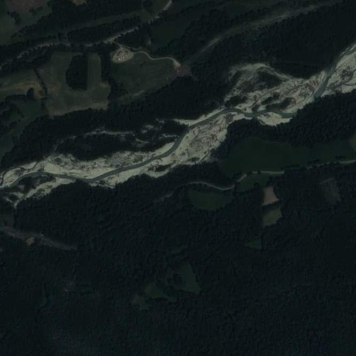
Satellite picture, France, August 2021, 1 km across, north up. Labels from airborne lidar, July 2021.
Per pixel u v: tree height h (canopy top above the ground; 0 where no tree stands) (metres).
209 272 24
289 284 23
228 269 27
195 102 19
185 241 21
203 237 21
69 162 0
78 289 12
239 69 0
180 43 16
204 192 9
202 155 0
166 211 23
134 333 14
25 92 0
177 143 0
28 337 17
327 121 18
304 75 12
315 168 16
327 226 24
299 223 22
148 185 20
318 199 22
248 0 0
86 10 17
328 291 16
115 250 23
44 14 0
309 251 22
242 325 26
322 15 17
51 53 17
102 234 24
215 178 13
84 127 16
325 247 27
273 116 0
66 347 8
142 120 18
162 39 0
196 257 23
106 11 17
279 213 0
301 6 9
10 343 23
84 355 6
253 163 0
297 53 15
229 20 7
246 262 30
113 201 20
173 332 27
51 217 23
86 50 13
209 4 14
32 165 0
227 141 14
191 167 15
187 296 25
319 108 14
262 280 19
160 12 0
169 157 0
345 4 14
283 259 14
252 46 8
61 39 17
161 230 31
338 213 17
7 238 28
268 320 23
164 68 0
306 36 19
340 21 18
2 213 20
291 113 0
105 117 17
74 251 0
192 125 0
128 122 21
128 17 0
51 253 25
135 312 24
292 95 0
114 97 15
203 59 13
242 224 31
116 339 18
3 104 14
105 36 10
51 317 19
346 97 17
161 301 18
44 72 0
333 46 23
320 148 0
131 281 15
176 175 25
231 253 25
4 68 15
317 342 18
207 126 0
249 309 27
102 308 21
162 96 20
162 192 22
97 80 0
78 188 10
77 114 22
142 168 0
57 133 16
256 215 30
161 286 16
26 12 0
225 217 28
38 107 0
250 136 12
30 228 23
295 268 19
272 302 18
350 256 24
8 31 0
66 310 15
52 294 18
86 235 29
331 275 24
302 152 0
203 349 25
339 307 27
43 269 22
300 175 21
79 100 0
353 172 19
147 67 0
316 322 20
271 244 16
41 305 18
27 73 0
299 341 15
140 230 30
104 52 16
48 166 0
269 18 0
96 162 0
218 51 18
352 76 0
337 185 0
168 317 19
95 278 21
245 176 0
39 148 6
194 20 0
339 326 23
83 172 0
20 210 12
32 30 9
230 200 0
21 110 9
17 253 23
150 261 27
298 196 23
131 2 16
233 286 27
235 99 9
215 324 29
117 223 21
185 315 20
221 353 16
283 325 21
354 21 17
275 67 10
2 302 24
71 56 0
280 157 0
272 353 26
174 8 0
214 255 19
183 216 29
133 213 20
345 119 23
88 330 19
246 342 22
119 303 15
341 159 15
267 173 0
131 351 20
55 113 0
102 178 0
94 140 18
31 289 20
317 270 25
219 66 7
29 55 14
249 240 21
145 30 21
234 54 13
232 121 0
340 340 27
